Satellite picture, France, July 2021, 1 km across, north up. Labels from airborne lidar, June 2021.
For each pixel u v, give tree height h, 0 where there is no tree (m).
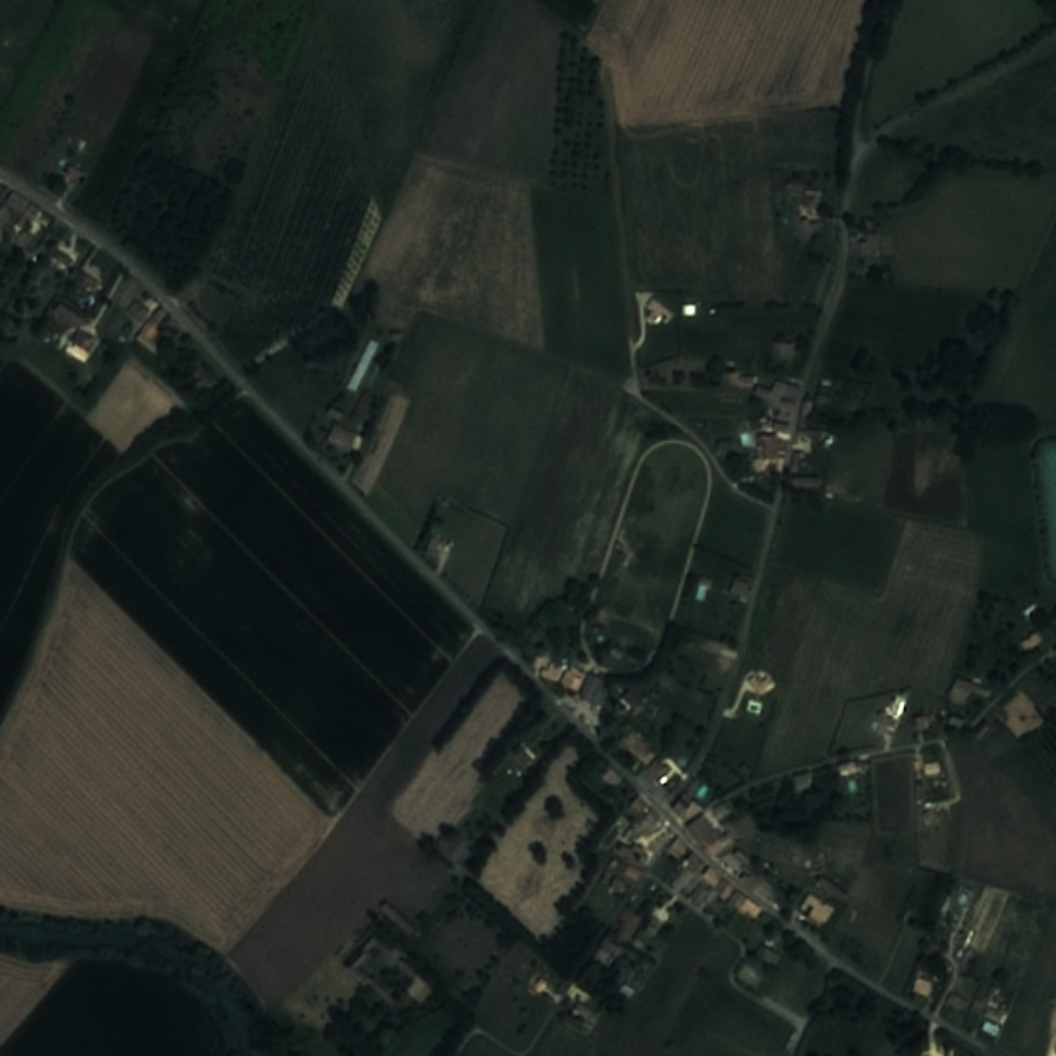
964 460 20
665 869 0
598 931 7
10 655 0
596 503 0
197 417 9
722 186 0
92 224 0
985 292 0
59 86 0
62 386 0
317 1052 0
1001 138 0
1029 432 32
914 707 0
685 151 0
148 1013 0
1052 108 0
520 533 0
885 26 18
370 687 0
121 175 0
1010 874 0
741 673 0
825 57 0
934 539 0
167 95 10
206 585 0
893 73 0
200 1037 0
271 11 0
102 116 0
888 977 0
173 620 0
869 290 0
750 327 0
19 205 0
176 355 14
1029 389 0
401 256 0
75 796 0
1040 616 16
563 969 17
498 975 0
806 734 0
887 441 0
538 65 0
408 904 0
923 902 0
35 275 16
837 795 10
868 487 0
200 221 11
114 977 0
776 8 0
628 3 0
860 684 0
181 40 0
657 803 0
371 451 0
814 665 0
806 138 0
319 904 0
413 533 0
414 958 10
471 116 0
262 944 0
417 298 0
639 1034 0
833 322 0
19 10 0
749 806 8
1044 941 0
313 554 0
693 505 0
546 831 0
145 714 0
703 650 0
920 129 0
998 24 0
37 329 11
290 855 0
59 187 20
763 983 0
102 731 0
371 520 0
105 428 0
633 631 0
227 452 0
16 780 0
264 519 0
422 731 0
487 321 0
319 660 0
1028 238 0
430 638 0
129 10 0
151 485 0
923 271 0
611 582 0
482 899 11
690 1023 0
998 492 0
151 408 0
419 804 0
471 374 0
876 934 0
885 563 0
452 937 0
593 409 0
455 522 0
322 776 0
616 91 0
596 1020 0
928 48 0
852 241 0
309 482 0
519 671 17
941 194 0
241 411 0
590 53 7
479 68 0
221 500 0
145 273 0
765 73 0
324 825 0
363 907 0
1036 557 0
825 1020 23
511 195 0
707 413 0
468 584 0
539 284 0
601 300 0
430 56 0
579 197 0
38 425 0
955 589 0
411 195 0
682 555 0
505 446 0
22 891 0
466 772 0
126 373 0
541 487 0
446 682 0
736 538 0
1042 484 7
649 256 0
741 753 0
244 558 0
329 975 0
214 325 6
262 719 0
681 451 0
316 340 23
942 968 15
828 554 0
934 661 0
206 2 0
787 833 12
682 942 0
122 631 0
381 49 0
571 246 0
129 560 0
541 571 0
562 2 0
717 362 9
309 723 0
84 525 0
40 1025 0
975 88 0
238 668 0
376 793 0
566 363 0
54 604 0
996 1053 0
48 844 0
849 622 0
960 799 0
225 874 0
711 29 0
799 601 0
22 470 0
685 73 0
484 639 0
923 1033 8
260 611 0
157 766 0
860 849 0
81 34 0
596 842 16
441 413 0
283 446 0
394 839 0
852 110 13
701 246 0
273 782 0
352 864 0
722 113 0
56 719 0
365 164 0
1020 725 0
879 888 0
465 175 0
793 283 0
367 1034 16
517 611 0
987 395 0
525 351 0
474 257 0
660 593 0
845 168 13
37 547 0
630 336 0
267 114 0
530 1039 0
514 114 0
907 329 0
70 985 0
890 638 0
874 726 0
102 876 0
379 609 0
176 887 0
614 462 0
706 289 0
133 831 0
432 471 0
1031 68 0
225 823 0
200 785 0
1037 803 0
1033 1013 0
